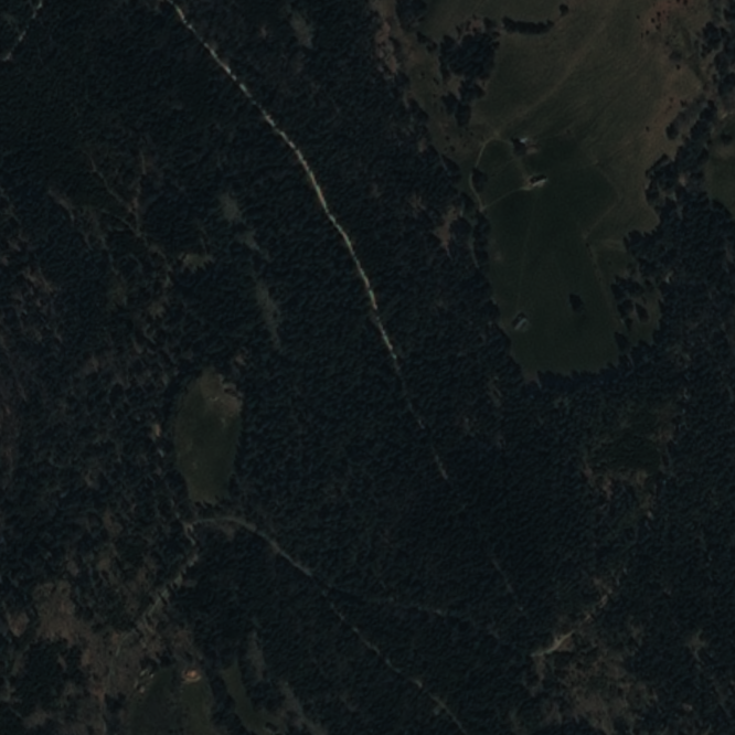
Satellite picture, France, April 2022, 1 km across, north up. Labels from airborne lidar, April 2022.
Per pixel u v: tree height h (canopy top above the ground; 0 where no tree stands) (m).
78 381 23
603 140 0
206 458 0
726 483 32
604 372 0
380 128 23
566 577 26
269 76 23
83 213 19
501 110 0
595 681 7
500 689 19
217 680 20
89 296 34
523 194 0
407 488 21
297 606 17
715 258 28
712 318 33
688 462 31
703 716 35
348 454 7
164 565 22
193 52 23
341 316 23
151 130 14
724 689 36
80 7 22
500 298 0
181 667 20
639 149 0
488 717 19
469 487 36
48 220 34
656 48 0
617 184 0
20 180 18
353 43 19
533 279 0
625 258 0
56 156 16
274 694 10
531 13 0
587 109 0
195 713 0
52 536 8
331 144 15
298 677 19
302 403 15
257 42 25
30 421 26
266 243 27
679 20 0
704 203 30
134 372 21
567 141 0
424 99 0
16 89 16
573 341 0
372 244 16
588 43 0
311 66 20
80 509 21
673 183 25
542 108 0
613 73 0
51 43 20
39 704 12
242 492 30
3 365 32
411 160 24
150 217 24
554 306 0
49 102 9
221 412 0
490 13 0
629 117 0
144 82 22
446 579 23
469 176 0
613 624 28
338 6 19
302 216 15
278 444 27
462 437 24
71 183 14
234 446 0
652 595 31
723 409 30
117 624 8
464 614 18
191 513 29
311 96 26
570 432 25
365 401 23
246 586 14
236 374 29
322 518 18
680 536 34
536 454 27
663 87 0
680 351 28
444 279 24
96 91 13
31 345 26
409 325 23
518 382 33
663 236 25
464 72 22
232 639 12
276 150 24
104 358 21
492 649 17
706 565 31
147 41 21
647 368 31
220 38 18
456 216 0
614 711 14
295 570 20
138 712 0
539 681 16
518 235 0
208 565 10
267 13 21
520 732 9
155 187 8
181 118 17
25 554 15
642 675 32
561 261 0
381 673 17
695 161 24
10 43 16
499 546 23
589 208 0
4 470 26
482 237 21
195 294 32
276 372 28
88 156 7
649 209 0
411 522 25
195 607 11
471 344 27
